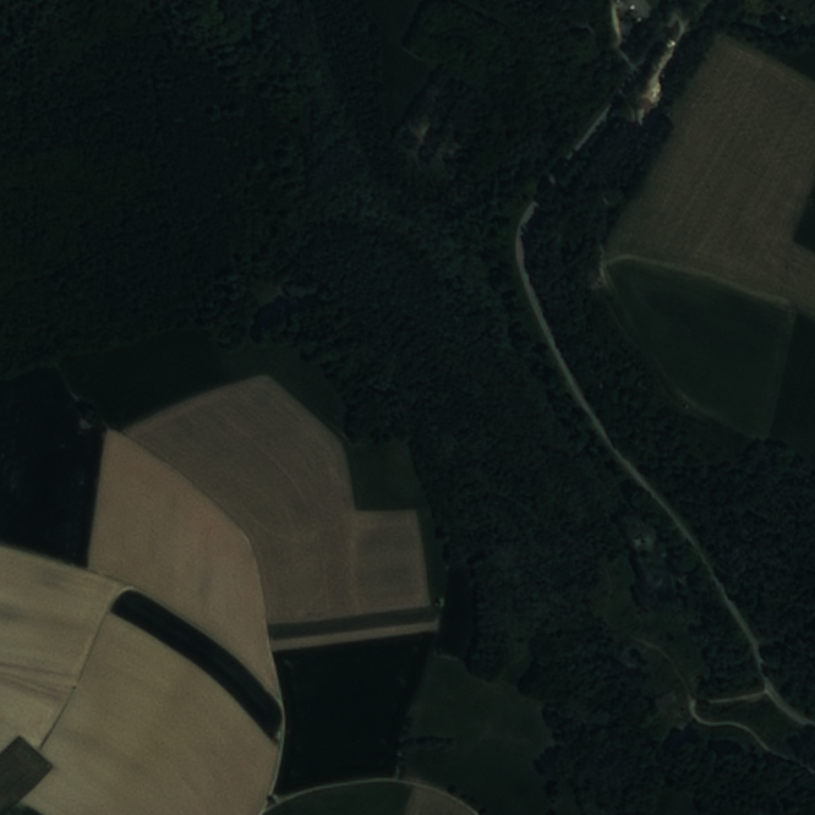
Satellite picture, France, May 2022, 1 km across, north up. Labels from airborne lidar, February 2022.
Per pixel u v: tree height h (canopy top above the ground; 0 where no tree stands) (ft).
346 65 35
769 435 0
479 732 0
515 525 31
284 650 0
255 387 0
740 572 84
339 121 73
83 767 0
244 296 95
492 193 69
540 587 43
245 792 0
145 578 0
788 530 23
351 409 57
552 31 38
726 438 0
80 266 50
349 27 39
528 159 79
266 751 0
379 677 0
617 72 62
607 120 0
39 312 49
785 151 0
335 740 0
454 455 47
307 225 49
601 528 26
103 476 0
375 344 38
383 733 0
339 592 0
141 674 0
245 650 0
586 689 88
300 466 0
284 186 92
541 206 73
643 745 101
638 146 67
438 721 0
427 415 42
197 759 0
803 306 0
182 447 0
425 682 0
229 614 0
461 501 39
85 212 38
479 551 29
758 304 0
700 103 0
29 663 0
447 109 73
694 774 98
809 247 0
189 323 45
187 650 0
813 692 102
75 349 36
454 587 0
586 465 60
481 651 73
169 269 55
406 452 0
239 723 0
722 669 91
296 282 44
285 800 0
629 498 92
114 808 0
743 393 0
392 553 0
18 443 0
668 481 77
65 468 0
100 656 0
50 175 39
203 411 0
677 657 0
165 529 0
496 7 55
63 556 0
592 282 0
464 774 0
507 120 85
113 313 51
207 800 0
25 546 0
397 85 0
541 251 81
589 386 82
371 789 0
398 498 0
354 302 30
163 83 30
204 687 0
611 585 0
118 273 54
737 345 0
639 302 0
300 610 0
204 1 116
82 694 0
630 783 84
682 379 0
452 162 69
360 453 0
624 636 0
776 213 0
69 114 32
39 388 0
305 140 72
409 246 49
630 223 0
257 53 95
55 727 0
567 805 0
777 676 82
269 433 0
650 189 0
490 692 0
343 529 0
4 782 0
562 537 37
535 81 56
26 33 92
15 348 36
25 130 56
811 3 0
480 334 25
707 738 0
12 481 0
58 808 0
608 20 46
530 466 34
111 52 51
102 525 0
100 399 0
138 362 0
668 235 0
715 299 0
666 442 45
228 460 0
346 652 0
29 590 0
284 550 0
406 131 49
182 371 0
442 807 0
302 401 0
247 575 0
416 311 27
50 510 0
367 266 32
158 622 0
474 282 89
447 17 41
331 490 0
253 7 32
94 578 0
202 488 0
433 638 0
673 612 99
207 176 57
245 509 0
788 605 97
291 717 0
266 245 38
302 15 104
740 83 0
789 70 0
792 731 0
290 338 53
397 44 0
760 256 0
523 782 0
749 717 0
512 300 91
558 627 34
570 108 46
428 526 0
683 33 0
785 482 92
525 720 0
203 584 0
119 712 0
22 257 38
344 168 99
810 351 0
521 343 89
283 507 0
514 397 34
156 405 0
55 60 33
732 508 78
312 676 0
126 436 0
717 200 0
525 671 0
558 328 80
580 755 73
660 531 84
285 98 101
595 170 64
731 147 0
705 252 0
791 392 0
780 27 61
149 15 21
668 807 0
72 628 0
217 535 0
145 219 55
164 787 0
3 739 0
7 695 0
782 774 34
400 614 0
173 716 0
